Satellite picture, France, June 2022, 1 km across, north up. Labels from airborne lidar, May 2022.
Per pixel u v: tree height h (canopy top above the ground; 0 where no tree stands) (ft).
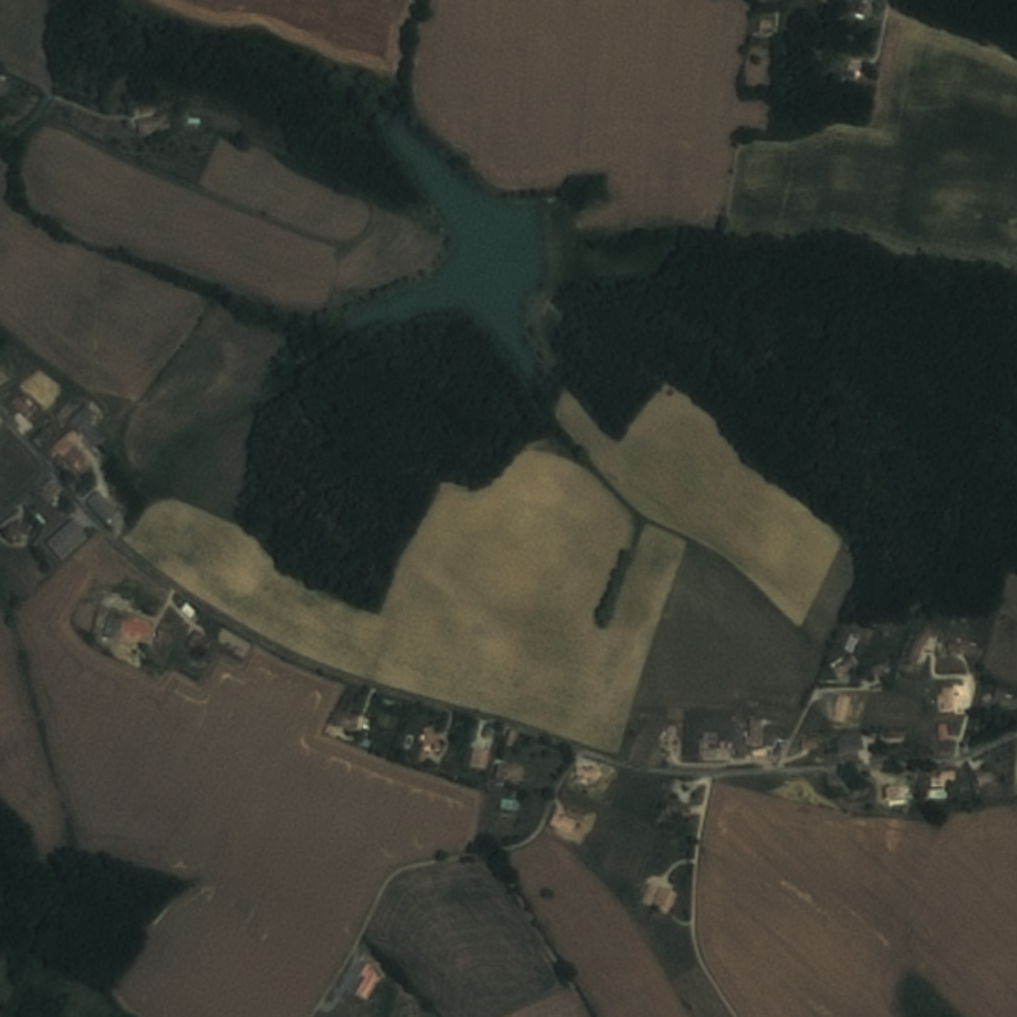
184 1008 0
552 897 23
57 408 0
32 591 0
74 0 49
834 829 0
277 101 39
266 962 0
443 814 0
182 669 0
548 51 0
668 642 0
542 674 0
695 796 20
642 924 0
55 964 73
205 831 0
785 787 0
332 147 39
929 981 0
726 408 55
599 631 0
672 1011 0
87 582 0
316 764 0
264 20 0
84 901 77
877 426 63
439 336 55
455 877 0
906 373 54
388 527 87
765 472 48
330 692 0
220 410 0
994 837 0
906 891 0
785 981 0
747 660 0
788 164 0
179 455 0
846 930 0
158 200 0
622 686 0
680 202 0
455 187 0
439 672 0
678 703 0
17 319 0
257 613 0
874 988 0
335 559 58
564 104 0
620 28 0
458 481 28
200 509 0
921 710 0
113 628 0
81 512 0
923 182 0
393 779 0
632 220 0
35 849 65
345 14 0
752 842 0
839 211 0
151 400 0
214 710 0
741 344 80
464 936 0
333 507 58
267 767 0
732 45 0
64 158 0
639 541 0
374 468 66
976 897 0
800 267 57
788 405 71
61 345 0
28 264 0
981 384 68
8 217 0
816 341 55
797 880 0
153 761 0
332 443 86
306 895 0
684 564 0
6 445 0
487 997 0
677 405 0
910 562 43
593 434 0
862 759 0
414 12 42
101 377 0
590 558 0
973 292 62
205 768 0
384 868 0
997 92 0
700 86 0
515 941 0
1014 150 0
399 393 66
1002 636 0
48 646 0
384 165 34
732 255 85
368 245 0
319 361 62
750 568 0
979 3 50
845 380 50
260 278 0
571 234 0
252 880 0
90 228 0
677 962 0
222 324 0
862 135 0
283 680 0
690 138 0
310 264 0
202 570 0
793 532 0
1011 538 58
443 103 0
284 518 53
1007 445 71
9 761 0
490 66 0
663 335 63
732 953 0
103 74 39
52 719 0
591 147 0
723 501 0
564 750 32
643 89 0
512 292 0
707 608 0
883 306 69
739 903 0
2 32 0
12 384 0
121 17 46
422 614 0
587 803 0
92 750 0
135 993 0
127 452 0
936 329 66
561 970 47
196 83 23
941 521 55
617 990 0
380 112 24
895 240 0
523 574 0
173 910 0
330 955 0
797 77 48
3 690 0
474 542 0
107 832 0
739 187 0
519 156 0
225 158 0
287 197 0
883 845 0
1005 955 0
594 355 50
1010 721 23
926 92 0
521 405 71
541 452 0
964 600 53
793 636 0
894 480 56
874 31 36
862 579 57
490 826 0
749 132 36
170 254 0
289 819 0
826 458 57
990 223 0
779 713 0
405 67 43
